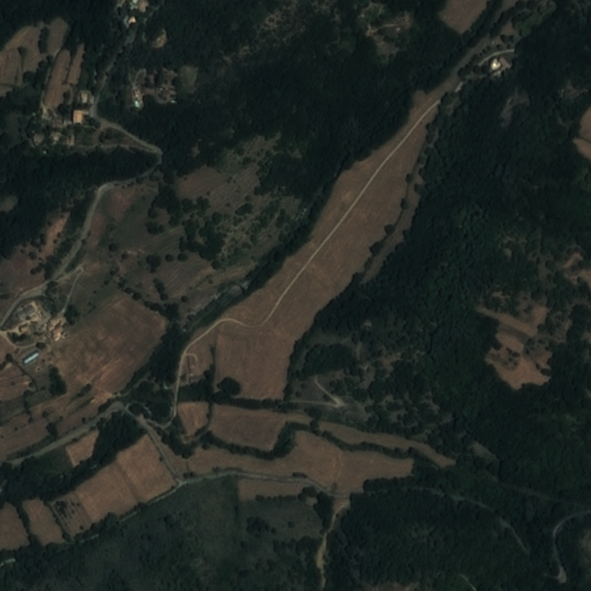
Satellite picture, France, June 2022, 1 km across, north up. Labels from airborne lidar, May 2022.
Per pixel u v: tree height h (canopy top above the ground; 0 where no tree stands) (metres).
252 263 0
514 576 11
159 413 10
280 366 0
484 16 11
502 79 10
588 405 18
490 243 15
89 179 13
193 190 0
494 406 22
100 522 7
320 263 0
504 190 16
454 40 8
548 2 8
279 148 12
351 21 11
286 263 0
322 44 9
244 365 0
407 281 13
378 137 19
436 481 14
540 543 18
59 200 11
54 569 6
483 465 19
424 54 15
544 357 0
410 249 10
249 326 0
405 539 11
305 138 13
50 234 0
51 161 15
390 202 0
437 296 8
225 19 11
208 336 0
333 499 11
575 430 7
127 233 0
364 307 12
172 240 0
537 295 13
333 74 14
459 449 14
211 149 9
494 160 19
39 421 0
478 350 16
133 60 11
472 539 13
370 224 0
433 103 0
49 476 13
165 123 12
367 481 15
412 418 16
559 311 10
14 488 19
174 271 0
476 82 8
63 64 0
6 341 0
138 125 12
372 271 0
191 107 8
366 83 15
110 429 12
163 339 14
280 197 7
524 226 13
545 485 20
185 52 11
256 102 11
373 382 12
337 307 12
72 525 0
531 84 14
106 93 8
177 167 11
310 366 11
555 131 12
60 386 11
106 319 0
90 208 0
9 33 10
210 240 11
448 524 13
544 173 6
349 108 17
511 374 0
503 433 22
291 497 10
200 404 0
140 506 10
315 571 10
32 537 14
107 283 6
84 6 19
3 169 12
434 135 9
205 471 0
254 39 8
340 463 0
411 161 0
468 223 7
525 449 19
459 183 17
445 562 13
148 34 10
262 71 16
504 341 0
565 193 6
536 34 18
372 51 7
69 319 6
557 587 14
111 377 0
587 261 8
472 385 16
